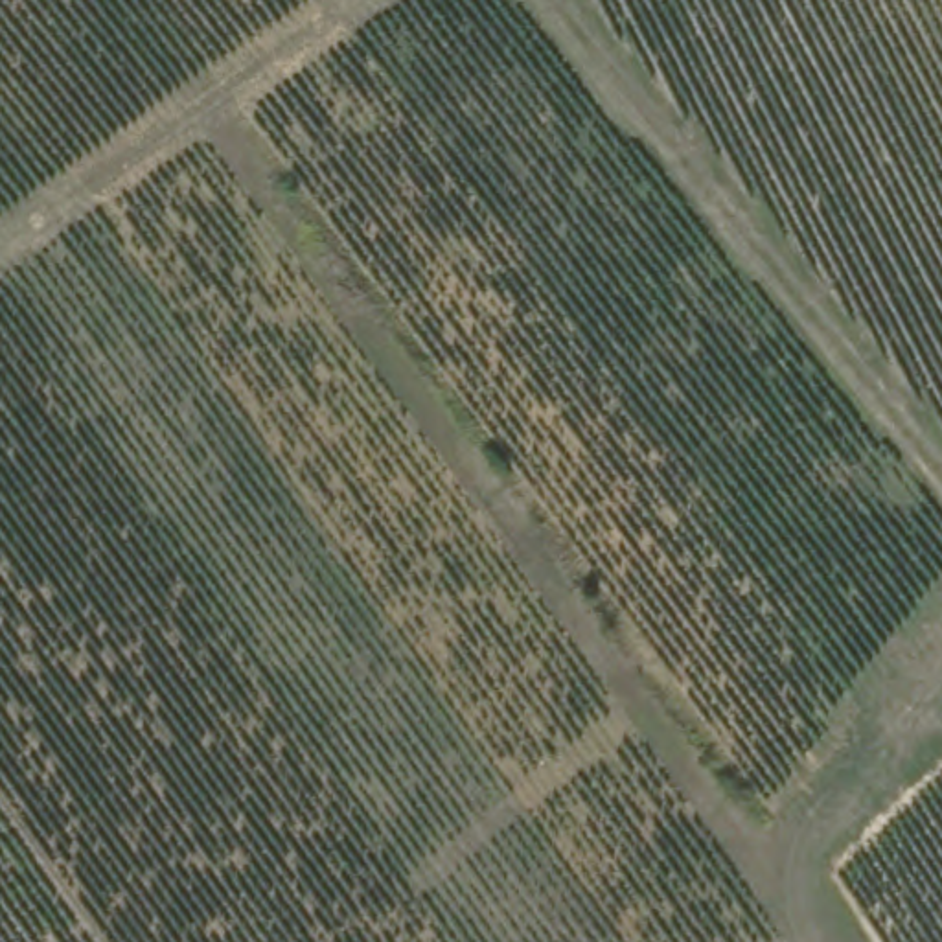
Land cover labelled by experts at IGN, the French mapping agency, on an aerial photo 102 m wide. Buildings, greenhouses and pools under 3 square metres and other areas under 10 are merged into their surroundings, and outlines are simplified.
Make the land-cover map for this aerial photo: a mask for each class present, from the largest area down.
<instances>
[{"label":"vineyard","instance_id":"1","mask_svg":"<svg viewBox=\"0 0 942 942\"><path fill-rule=\"evenodd\" d=\"M294 0H0V213L18 206L33 188L63 173L70 162L99 147L103 140H110L121 125L136 121L147 107L180 88L188 77L217 63L221 55L236 52L239 40L276 22ZM537 0H390L350 40L335 44L327 55L313 59L294 77H287L258 99V125L291 162V169L276 173V184L283 191H313L331 210L346 243L375 272L390 280L394 302L416 294L408 324L427 339L434 361L464 368V379L453 386L445 408L456 419H471L478 427V434L486 438V460L497 471L515 467L530 486H537L545 482L548 464H559V471H567V464L574 460L570 453L585 449V464L578 467V478L567 493V500L585 504V519L563 523V548H578L589 563L581 592L603 629L637 622L644 640L662 659V666L688 681L695 707L732 732L736 751L732 762L718 773V784L743 806V813L754 824L765 821V798L791 776V765L824 736V725L813 718L817 695L839 703L854 677L865 670V662L887 644V637L916 611L920 596L942 578V500L924 482V475L905 460L898 442L876 431V423L857 408L846 386L828 372L824 357L798 335L780 302L736 265L729 247L710 228V221L670 177L662 158L600 107L592 88L574 70V63L534 18ZM607 7L611 29L633 44L637 59H644L651 74H666L681 114L695 121L707 147L729 151L747 191L758 195L765 210L762 221L776 236L798 239L802 258L810 265H821L835 283L846 320H865L872 327L876 350L890 361L898 357L913 397L935 405L942 419V0H600ZM236 169L213 144H191L188 151L173 155L132 191L88 210L66 232L48 239L37 254H26L0 276V942H758L773 938L769 909L754 898L740 865L725 850V843L703 824V817L684 813V780L662 765L651 740H626V699L600 695V673L585 659L578 640H563L559 611L548 607V600L530 596L519 559L482 545V530L475 526V519L464 515V500H453V511L438 508V486L449 464L442 453H431V445L419 438L416 416H408L401 401H394L375 383V368L357 353V342L342 331L327 339L316 320H298L294 327L265 324L250 309V294H258L265 305L280 302L272 298L261 276V261L232 206ZM846 887L857 894L883 942H942V780L931 784L902 817H894L883 828V835L868 850H861L843 868Z\"/></svg>","mask_w":942,"mask_h":942},{"label":"herbaceous vegetation","instance_id":"2","mask_svg":"<svg viewBox=\"0 0 942 942\"><path fill-rule=\"evenodd\" d=\"M390 0H294L276 22L239 40L236 52L221 55L217 63L188 77L180 88L147 107L136 121L121 125L110 140H103L99 147L70 162L63 173L33 188L18 206L0 213V276L26 254H37L48 239L66 232L88 210L132 191L173 155L188 151L191 144H213L236 169L232 206L261 261V276L272 298L280 302L265 305L258 294H250V309L265 324L294 327L298 320H316L327 339L342 331L357 342V353L375 368V383L394 401H401L408 416H416L419 438L431 445V453H442L449 464L438 486V508L453 511V500H464V515L475 519V526L482 530V545L519 559L530 596L548 600V607L559 611L563 640H578L585 659L600 673V695L626 699V740H651L662 765L684 780V813L703 817V824L725 843V850L740 865L754 898L769 909L773 938L758 942H883L857 894L846 887L843 868L861 850H868L883 835V828L894 817H902L931 784L942 780V578L920 596L916 611L887 637V644L865 662V670L854 677L839 703L817 695L813 718L824 725V736L791 765V776L765 798V821L754 824L743 813V806L718 784V773L732 762L736 751L732 732L695 707L688 681L662 666V659L644 640L637 622L603 629L581 592L589 563L578 548H563V523L585 519V504L567 500V493L578 478V467L585 464V449L570 453L574 460L567 464V471H559V464H548L545 482L537 486H530L515 467L497 471L486 460V438L478 434V427L471 419H456L445 408L453 386L464 379V368L434 361L427 339L408 324L416 294L394 302L390 280L375 272L346 243L331 210L313 191H283L276 184V173L291 169V162L258 125V99L287 77H294L313 59L327 55L335 44L350 40ZM534 18L574 63V70L592 88L600 107L662 158L670 177L710 221V228L729 247L736 265L780 302L798 335L824 357L828 372L846 386L857 408L876 423V431L898 442L905 460L924 475V482L942 500V419L935 405L913 397L898 357L890 361L876 350L872 327L865 320H846L835 283L821 265H810L802 258L798 239L776 236L762 221L765 210L758 195L747 191L729 151L707 147L695 121L681 114L666 74H651L644 59H637L633 44L611 29L607 7L600 0H537Z\"/></svg>","mask_w":942,"mask_h":942}]
</instances>
